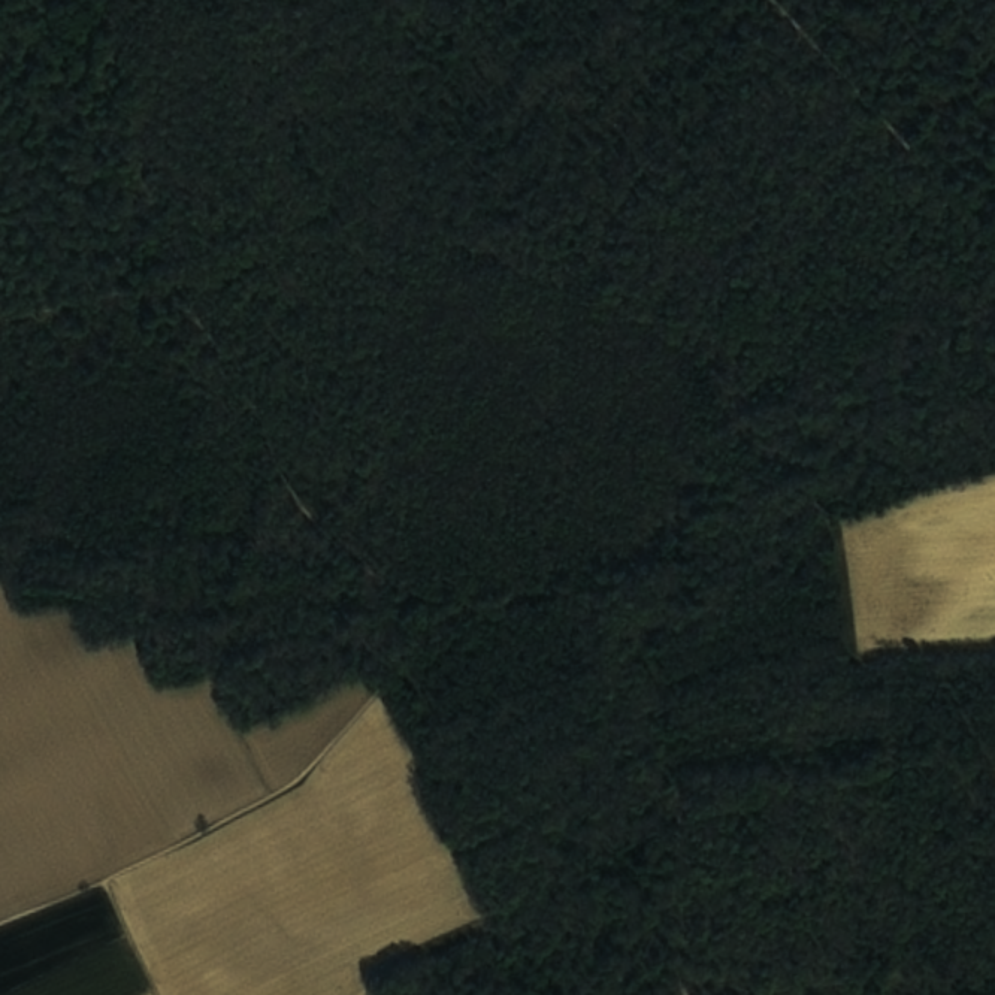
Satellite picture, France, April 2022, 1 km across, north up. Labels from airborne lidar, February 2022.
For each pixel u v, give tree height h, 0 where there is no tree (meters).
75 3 30
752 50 29
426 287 27
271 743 0
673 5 30
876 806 27
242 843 0
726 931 28
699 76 27
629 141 16
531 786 38
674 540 23
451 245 24
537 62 22
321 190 28
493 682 28
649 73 22
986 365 30
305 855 0
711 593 35
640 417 21
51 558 30
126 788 0
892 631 0
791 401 33
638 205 32
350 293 28
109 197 34
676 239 29
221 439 22
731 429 29
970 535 0
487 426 21
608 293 29
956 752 29
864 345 27
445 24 24
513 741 28
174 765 0
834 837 30
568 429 21
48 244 31
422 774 23
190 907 0
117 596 33
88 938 0
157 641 33
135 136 33
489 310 24
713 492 22
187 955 0
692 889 27
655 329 18
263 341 28
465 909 0
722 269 31
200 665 26
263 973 0
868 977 23
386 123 27
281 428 23
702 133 30
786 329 28
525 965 19
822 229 25
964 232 26
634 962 35
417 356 21
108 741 0
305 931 0
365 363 27
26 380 15
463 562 18
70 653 0
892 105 26
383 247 26
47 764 0
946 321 33
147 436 15
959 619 0
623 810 40
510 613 24
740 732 12
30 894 0
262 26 30
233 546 22
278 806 0
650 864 33
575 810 34
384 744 0
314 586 19
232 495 23
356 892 0
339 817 0
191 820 0
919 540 0
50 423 16
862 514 21
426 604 26
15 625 0
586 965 19
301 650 22
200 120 25
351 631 26
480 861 35
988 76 7
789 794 28
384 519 23
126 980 0
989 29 27
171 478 15
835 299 28
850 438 34
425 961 29
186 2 23
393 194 31
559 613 23
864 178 28
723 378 25
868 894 30
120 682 0
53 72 28
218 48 27
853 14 20
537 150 32
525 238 29
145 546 31
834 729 28
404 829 0
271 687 36
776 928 29
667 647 31
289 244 27
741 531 30
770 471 27
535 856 35
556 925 36
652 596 37
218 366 25
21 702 0
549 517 22
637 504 19
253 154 27
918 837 30
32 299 26
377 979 28
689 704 29
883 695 33
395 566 17
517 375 19
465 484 23
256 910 0
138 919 0
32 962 0
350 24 30
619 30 28
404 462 22
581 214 31
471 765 27
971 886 29
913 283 26
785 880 30
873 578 0
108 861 0
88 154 32
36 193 31
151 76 26
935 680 26
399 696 25
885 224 28
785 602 25
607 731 37
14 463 17
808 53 20
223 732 0
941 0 28
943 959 28
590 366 21
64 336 11
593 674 34
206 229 22
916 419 36
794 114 27
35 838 0
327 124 26
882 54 28
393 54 31
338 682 27
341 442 25
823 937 23
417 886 0
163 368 15
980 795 22
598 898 36
